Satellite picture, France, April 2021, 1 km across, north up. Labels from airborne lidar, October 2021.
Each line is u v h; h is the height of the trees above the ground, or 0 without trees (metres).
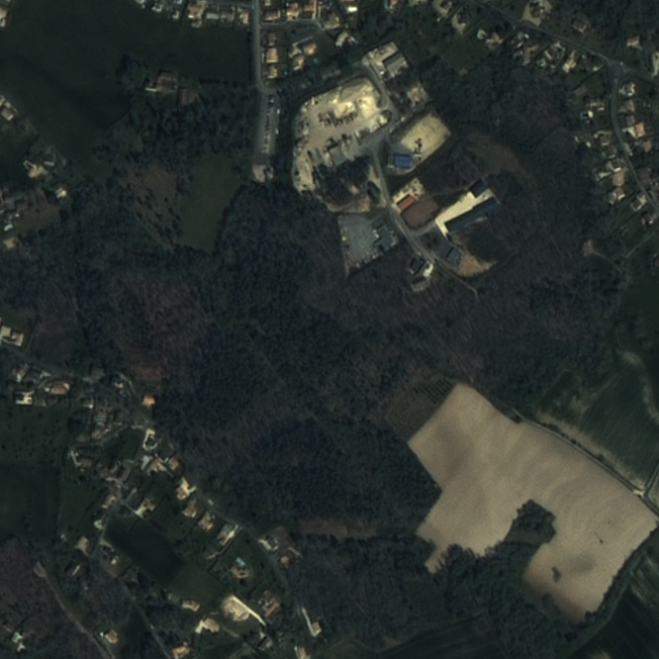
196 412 26
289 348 19
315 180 0
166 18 0
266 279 24
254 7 0
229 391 28
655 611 0
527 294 15
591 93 0
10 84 0
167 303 8
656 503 0
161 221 15
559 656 18
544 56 5
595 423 0
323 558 20
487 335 14
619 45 6
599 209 25
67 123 0
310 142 0
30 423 0
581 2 13
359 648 0
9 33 0
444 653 0
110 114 0
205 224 0
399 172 0
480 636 0
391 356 7
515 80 14
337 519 22
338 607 15
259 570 6
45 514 0
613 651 0
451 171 8
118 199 18
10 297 20
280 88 15
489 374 11
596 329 23
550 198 14
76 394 6
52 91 0
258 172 0
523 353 22
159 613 20
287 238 14
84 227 13
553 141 11
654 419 0
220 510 0
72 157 0
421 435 0
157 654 19
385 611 21
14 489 0
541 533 14
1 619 6
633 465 0
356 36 12
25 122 17
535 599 0
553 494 0
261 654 6
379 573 24
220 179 0
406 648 0
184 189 19
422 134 0
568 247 14
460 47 0
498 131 16
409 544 12
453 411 0
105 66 0
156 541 0
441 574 15
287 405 16
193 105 0
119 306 6
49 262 14
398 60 0
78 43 0
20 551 7
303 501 24
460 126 9
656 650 0
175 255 10
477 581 22
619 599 16
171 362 13
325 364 24
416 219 0
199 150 15
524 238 13
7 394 13
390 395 9
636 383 0
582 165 22
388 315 16
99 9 0
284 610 10
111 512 0
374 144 0
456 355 22
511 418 13
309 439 23
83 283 21
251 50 9
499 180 10
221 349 29
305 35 0
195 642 13
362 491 18
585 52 0
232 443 16
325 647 15
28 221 0
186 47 0
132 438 0
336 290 18
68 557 9
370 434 6
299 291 18
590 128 9
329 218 26
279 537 0
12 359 20
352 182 26
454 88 23
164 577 0
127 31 0
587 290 22
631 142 6
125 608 12
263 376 21
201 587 0
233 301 20
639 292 0
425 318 15
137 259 19
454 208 0
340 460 26
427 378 16
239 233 17
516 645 23
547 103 12
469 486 0
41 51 0
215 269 27
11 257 14
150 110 7
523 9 0
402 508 18
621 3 19
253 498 21
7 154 0
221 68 0
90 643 17
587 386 9
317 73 8
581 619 0
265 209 14
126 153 0
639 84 0
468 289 10
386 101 0
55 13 0
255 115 8
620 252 16
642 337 13
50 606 10
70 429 12
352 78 23
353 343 23
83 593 20
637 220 0
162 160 15
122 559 0
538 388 10
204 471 17
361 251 0
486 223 8
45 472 0
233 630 0
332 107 0
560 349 9
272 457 27
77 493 0
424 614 10
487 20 12
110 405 8
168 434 8
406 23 6
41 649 14
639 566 0
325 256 18
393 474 20
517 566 23
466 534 0
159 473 6
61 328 7
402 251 9
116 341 15
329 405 17
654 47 9
